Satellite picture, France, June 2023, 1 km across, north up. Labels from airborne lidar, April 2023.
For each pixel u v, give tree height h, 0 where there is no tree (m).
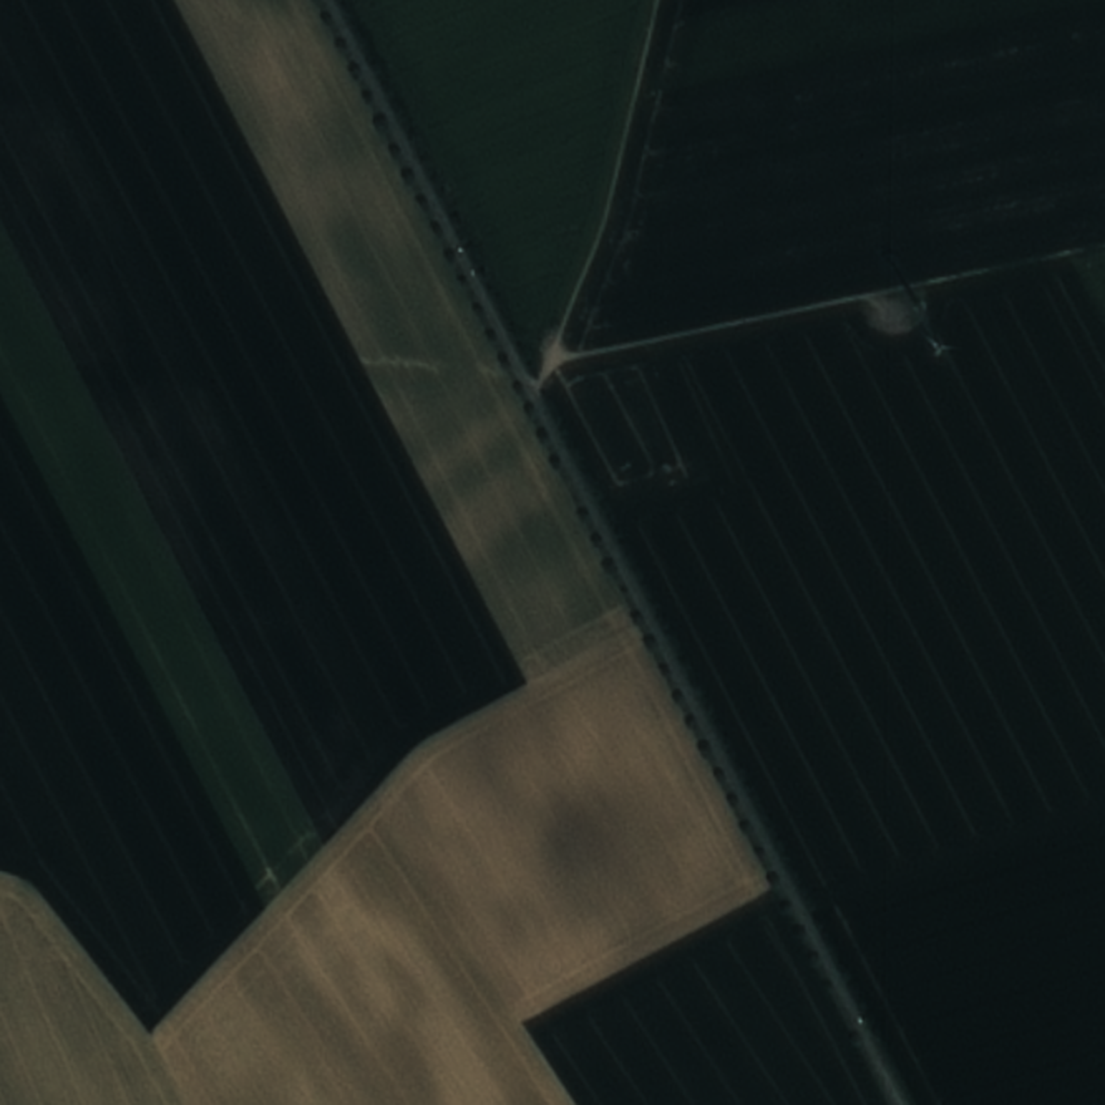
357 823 0
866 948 0
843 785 0
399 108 13
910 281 0
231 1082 0
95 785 0
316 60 0
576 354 0
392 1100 0
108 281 0
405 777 0
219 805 0
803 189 0
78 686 0
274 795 0
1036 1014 0
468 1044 0
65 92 0
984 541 0
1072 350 0
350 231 0
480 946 0
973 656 0
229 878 0
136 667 0
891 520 0
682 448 0
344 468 0
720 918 0
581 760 0
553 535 0
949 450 0
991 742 0
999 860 0
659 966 0
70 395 0
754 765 0
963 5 0
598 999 0
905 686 0
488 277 9
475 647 0
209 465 0
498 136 0
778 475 0
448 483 0
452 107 0
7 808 0
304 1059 0
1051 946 0
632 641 0
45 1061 0
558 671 0
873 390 0
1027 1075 0
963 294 0
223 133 0
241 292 0
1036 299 0
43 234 0
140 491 0
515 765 0
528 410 9
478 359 0
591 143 0
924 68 0
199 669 0
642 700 0
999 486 0
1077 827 0
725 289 0
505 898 0
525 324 0
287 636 0
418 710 0
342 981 0
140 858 0
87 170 0
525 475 0
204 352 0
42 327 0
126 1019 0
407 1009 0
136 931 0
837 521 0
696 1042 0
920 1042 0
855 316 0
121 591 0
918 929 0
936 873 0
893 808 0
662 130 0
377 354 0
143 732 0
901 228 0
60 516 0
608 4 0
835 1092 0
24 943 0
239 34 0
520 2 0
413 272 0
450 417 0
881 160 0
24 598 0
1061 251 0
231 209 0
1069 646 0
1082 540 0
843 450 0
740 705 0
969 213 0
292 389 0
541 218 0
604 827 0
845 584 0
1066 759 0
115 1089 0
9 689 0
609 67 0
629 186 0
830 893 0
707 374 0
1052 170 0
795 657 0
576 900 0
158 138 0
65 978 0
